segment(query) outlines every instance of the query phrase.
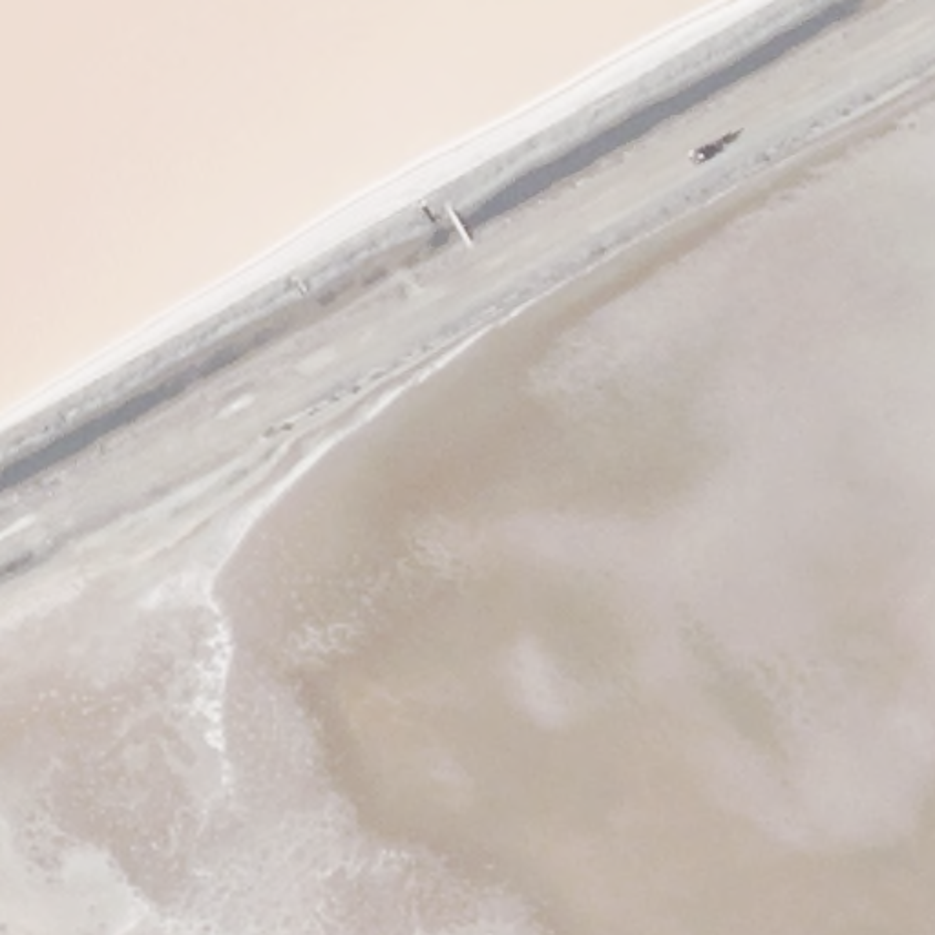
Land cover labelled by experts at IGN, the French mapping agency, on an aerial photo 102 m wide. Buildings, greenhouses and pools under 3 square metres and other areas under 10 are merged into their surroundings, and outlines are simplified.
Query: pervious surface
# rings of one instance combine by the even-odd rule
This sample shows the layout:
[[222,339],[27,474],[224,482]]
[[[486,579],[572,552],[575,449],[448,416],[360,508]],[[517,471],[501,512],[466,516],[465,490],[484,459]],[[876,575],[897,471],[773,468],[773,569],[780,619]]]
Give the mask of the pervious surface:
[[347,190],[343,197],[336,197],[310,219],[296,223],[248,259],[208,278],[194,292],[146,314],[131,329],[117,332],[113,340],[73,358],[58,373],[44,376],[40,383],[26,387],[18,398],[0,405],[0,464],[55,438],[58,431],[69,431],[80,416],[113,405],[117,398],[131,394],[135,387],[142,387],[168,365],[190,358],[194,351],[219,343],[223,336],[252,325],[256,318],[307,292],[318,292],[332,278],[362,267],[362,259],[380,256],[391,245],[427,234],[431,248],[438,252],[420,267],[383,278],[369,292],[336,307],[329,318],[289,332],[285,340],[263,347],[259,354],[161,405],[139,424],[95,442],[88,453],[66,460],[62,468],[44,471],[40,478],[0,497],[0,935],[537,935],[537,924],[530,924],[526,906],[515,895],[504,895],[504,888],[475,888],[471,880],[457,880],[446,869],[442,855],[427,847],[387,847],[358,829],[354,807],[332,789],[332,778],[314,763],[318,720],[303,712],[299,698],[289,687],[278,687],[270,679],[267,665],[256,665],[248,650],[234,646],[226,610],[215,599],[215,581],[248,537],[248,530],[325,453],[362,435],[402,394],[449,369],[489,332],[519,321],[533,307],[584,281],[588,274],[617,263],[621,256],[636,256],[643,245],[676,234],[698,215],[709,215],[723,201],[756,190],[760,183],[811,157],[814,150],[844,139],[851,128],[866,128],[888,117],[898,128],[902,117],[920,113],[935,102],[935,0],[884,0],[880,7],[862,11],[858,18],[785,55],[771,69],[661,124],[646,139],[625,146],[621,153],[603,157],[592,172],[468,234],[464,212],[493,190],[500,190],[519,172],[526,172],[530,164],[573,146],[588,131],[599,131],[632,106],[676,91],[679,84],[738,58],[752,44],[793,26],[796,18],[811,15],[829,0],[705,0],[614,47],[610,55],[581,66],[566,80],[522,99],[519,106],[460,135],[449,135],[446,142],[402,161],[398,168]]

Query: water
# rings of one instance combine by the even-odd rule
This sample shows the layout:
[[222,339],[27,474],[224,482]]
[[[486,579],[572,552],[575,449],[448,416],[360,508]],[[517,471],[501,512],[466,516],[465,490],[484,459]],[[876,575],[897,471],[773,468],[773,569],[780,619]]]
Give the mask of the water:
[[369,292],[383,278],[420,267],[438,252],[431,248],[427,234],[391,245],[380,256],[362,259],[362,267],[332,278],[318,292],[307,292],[256,318],[252,325],[223,336],[219,343],[194,351],[190,358],[168,365],[142,387],[135,387],[131,394],[117,398],[113,405],[80,416],[69,431],[58,431],[55,438],[0,464],[0,497],[40,478],[44,471],[62,468],[66,460],[88,453],[95,442],[139,424],[161,405],[259,354],[263,347],[285,340],[289,332],[329,318],[336,307]]
[[347,190],[398,168],[402,161],[446,142],[449,135],[460,135],[519,106],[522,99],[566,80],[581,66],[610,55],[614,47],[705,0],[0,0],[0,405],[18,398],[26,387],[40,383],[44,376],[58,373],[73,358],[113,340],[117,332],[131,329],[146,314],[194,292],[208,278],[248,259],[296,223],[310,219],[336,197],[343,197]]
[[902,117],[898,128],[888,117],[866,128],[851,128],[844,139],[814,150],[811,157],[760,183],[756,190],[723,201],[709,215],[698,215],[676,234],[643,245],[636,256],[621,256],[617,263],[588,274],[584,281],[533,307],[519,321],[489,332],[449,369],[402,394],[362,435],[325,453],[248,530],[248,537],[215,581],[215,599],[226,610],[234,646],[248,650],[256,665],[267,665],[270,679],[278,687],[289,687],[299,698],[303,712],[318,720],[314,763],[332,778],[332,789],[354,807],[358,829],[387,847],[427,847],[442,855],[446,869],[457,880],[471,880],[475,888],[504,888],[504,895],[515,895],[526,906],[530,924],[537,924],[537,935],[935,935],[935,102],[920,113]]
[[464,212],[468,234],[592,172],[603,157],[621,153],[625,146],[646,139],[661,124],[771,69],[785,55],[858,18],[862,11],[880,7],[884,0],[829,0],[811,15],[796,18],[793,26],[752,44],[738,58],[679,84],[676,91],[632,106],[599,131],[588,131],[573,146],[530,164],[526,172],[519,172],[500,190],[493,190]]

